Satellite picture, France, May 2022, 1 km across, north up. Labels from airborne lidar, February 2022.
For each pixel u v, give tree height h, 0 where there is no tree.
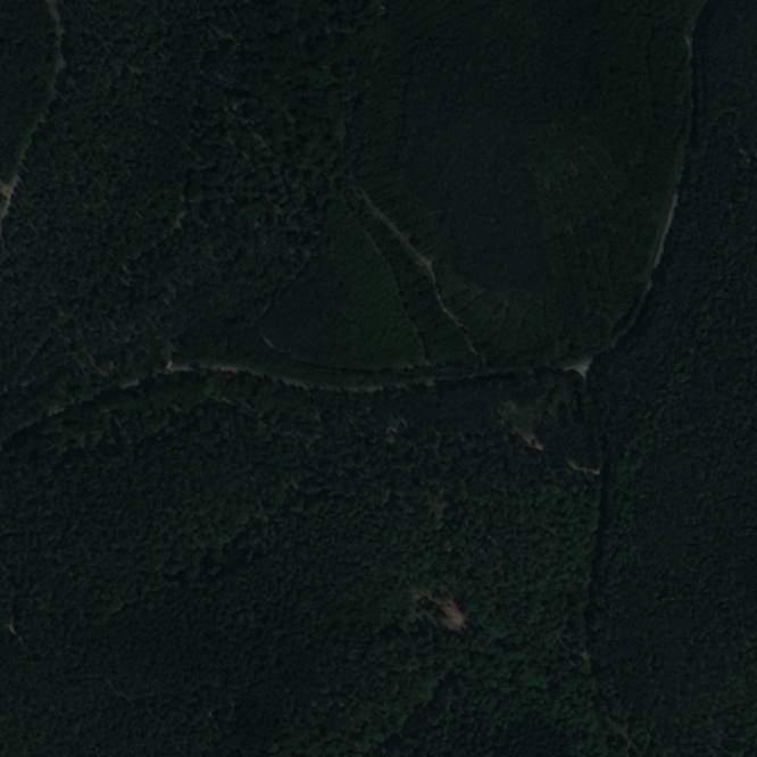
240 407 29
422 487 33
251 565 34
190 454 32
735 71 23
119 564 29
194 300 23
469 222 21
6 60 31
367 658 29
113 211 20
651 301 17
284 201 24
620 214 18
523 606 29
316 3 29
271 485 34
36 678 23
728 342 25
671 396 27
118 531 24
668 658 24
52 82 0
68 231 25
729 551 21
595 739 34
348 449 28
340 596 26
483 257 19
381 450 31
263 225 24
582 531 33
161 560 32
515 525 31
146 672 25
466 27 0
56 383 22
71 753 22
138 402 38
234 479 21
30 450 8
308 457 35
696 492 25
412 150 21
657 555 26
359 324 12
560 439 24
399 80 14
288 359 18
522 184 16
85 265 24
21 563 23
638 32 21
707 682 23
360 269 10
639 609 25
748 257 25
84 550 26
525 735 29
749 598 21
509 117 15
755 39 18
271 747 32
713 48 25
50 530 26
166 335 20
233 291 20
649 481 28
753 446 25
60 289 24
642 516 25
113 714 27
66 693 23
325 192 24
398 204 13
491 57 17
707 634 23
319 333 14
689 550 24
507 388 25
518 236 20
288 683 21
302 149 36
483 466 36
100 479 32
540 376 19
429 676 33
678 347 27
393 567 25
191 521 26
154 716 24
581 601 31
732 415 22
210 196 20
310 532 30
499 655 28
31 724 24
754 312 28
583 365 0
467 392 24
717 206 20
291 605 29
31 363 7
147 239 25
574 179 10
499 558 28
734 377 26
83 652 28
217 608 31
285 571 30
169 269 26
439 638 31
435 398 24
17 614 21
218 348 23
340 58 18
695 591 23
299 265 19
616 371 27
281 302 17
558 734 29
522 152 15
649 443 27
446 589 14
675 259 26
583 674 33
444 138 17
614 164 18
